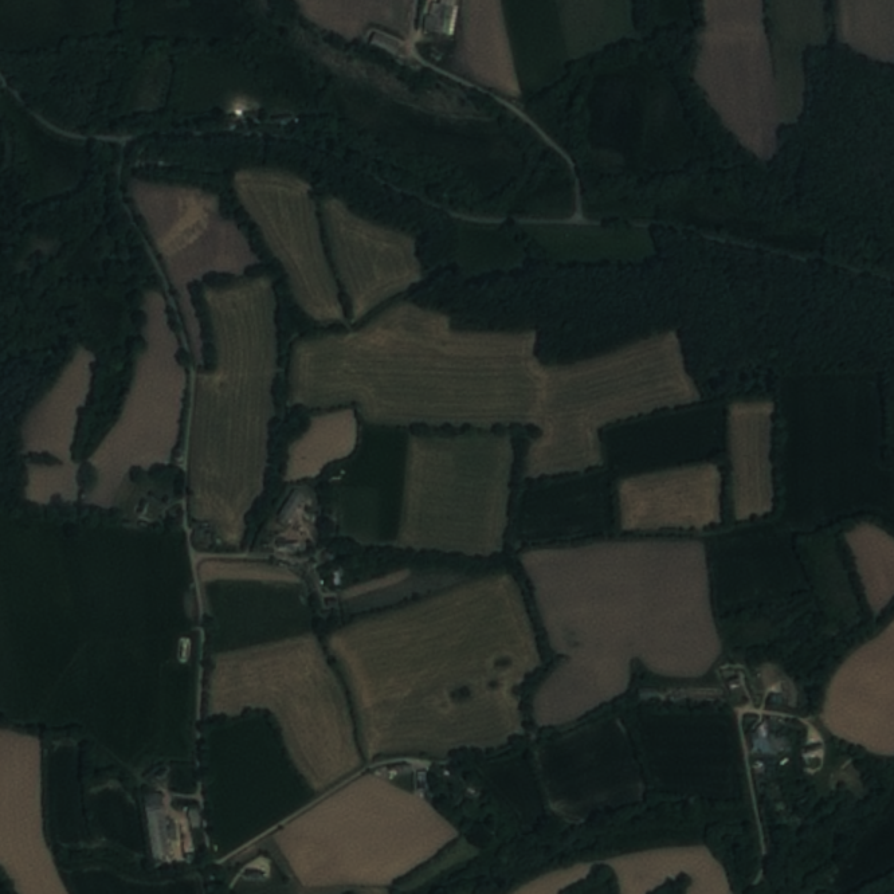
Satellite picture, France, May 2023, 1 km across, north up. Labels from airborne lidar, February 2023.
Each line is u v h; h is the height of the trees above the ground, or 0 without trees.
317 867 0
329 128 19
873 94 17
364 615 7
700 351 18
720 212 0
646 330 19
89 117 8
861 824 15
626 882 0
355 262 0
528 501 0
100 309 0
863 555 0
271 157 13
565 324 16
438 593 0
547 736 9
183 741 0
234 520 0
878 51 0
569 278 18
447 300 23
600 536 9
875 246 19
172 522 14
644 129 0
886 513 0
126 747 0
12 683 0
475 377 0
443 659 0
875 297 15
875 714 0
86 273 0
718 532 10
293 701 0
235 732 0
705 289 17
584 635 0
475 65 0
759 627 0
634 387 0
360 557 18
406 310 0
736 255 14
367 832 0
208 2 0
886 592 0
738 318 18
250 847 0
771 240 0
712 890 0
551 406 0
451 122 0
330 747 0
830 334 20
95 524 16
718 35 0
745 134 0
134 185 0
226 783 0
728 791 0
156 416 0
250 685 0
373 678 0
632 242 0
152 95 0
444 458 0
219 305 0
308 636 0
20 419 15
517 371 0
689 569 0
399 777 0
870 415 0
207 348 14
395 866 0
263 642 0
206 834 10
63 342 25
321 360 0
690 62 7
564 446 0
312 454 0
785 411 0
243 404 0
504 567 18
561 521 0
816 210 21
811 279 15
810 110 14
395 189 12
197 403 0
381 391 0
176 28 0
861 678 0
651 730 0
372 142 6
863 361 19
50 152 0
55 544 0
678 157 0
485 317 21
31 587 0
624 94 0
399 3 0
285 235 0
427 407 0
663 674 0
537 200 0
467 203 9
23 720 0
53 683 0
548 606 0
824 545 0
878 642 0
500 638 0
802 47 0
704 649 0
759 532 0
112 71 8
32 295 9
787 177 12
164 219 0
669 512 0
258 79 10
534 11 0
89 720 0
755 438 0
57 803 0
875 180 14
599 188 14
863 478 0
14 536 0
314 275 0
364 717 0
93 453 0
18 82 11
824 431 0
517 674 0
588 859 9
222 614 0
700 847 0
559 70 0
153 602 0
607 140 0
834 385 0
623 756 0
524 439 12
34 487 0
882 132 14
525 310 19
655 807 17
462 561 13
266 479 12
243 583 0
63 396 0
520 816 0
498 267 0
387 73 19
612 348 17
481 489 0
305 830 0
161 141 17
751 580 0
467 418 0
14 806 0
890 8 0
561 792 0
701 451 0
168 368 0
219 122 16
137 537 0
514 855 7
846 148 14
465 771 11
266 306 0
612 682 0
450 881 7
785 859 14
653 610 0
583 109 9
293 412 11
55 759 0
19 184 8
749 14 0
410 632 0
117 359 6
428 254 19
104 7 0
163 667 0
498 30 0
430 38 0
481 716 0
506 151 0
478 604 0
